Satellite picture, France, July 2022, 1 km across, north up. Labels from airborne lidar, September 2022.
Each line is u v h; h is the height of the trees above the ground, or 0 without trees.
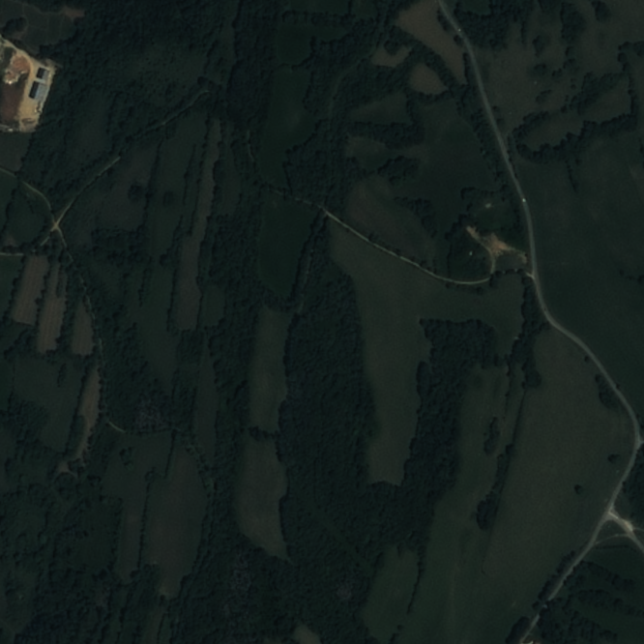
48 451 12
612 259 0
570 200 0
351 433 7
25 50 6
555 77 9
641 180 0
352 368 6
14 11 0
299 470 14
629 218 0
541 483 0
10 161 0
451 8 0
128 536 0
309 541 6
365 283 0
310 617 17
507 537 0
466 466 0
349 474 8
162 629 5
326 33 0
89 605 15
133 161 0
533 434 0
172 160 0
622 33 0
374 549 21
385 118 0
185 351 8
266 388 0
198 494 0
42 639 19
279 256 0
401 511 19
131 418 10
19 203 0
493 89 0
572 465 0
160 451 0
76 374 0
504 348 0
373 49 9
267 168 0
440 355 21
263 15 16
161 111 7
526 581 0
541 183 0
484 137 18
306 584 18
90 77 10
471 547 0
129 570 0
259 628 14
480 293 13
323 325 0
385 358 0
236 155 11
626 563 0
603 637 13
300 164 11
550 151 22
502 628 0
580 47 0
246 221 12
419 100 14
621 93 0
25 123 0
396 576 0
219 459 12
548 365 0
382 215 0
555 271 0
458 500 0
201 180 8
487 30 13
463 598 0
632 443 0
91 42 8
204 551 8
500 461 6
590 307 0
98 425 10
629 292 0
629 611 10
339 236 0
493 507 19
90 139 0
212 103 8
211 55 16
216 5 6
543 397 0
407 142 12
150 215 6
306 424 14
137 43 14
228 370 18
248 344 21
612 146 0
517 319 0
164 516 0
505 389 0
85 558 0
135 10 22
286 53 0
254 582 22
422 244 0
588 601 17
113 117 17
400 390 0
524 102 0
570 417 0
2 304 0
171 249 8
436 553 0
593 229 0
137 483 0
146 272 14
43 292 10
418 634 0
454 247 6
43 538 13
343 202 15
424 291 0
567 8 7
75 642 11
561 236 0
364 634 13
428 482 22
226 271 18
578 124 0
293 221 0
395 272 0
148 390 14
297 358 22
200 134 0
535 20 0
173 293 8
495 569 0
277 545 0
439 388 21
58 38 0
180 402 6
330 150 10
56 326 0
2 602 0
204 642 19
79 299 6
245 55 17
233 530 23
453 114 0
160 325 0
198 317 7
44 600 19
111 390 7
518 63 0
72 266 10
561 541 0
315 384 11
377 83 15
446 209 0
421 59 13
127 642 0
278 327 0
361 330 21
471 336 20
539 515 0
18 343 14
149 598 18
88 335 0
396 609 0
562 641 21
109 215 0
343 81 6
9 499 11
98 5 14
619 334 0
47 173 10
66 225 8
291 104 0
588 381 0
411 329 0
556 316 0
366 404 17
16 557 11
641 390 0
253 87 20
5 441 0
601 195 0
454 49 0
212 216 8
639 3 0
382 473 0
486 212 0
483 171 0
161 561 0
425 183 0
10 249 12
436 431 23
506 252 0
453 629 0
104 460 7
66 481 8
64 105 10
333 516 6
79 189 13
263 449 0
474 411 0
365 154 0
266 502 0
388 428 0
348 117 8
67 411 0
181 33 22
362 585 12
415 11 0
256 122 13
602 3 11
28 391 0
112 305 7
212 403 0
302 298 21
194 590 18
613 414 0
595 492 0
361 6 0
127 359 13
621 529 0
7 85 0
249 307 17
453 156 0
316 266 11
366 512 14
